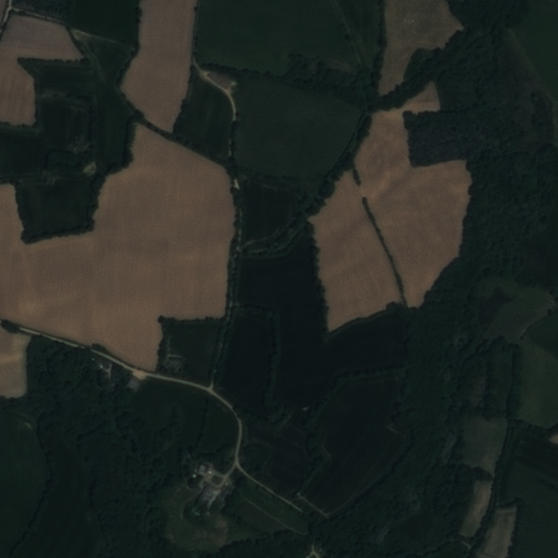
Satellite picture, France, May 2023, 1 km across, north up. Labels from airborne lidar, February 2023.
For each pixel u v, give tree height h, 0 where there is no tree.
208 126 0
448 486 17
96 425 19
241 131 0
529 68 0
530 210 7
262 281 0
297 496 10
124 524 21
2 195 0
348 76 8
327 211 0
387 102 20
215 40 0
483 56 7
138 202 0
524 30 0
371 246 0
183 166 0
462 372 18
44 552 0
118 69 0
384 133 0
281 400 0
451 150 18
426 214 0
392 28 0
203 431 11
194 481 9
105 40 0
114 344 0
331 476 0
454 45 16
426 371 15
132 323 0
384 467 0
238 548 20
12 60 0
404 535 0
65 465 0
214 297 0
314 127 0
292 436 0
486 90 13
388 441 0
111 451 25
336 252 0
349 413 0
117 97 0
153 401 0
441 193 0
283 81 6
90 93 0
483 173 12
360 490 0
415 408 16
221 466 11
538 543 0
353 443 0
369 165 0
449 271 14
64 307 0
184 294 0
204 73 0
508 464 0
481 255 17
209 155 15
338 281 0
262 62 0
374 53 0
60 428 12
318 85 15
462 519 7
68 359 18
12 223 0
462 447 18
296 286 0
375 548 17
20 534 0
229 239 0
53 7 9
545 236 0
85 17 0
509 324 0
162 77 0
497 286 0
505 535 0
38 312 0
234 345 0
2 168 0
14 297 0
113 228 0
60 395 23
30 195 0
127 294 0
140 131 0
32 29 0
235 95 0
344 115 0
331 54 0
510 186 13
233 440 0
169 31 0
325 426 0
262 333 0
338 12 0
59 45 0
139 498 19
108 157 0
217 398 0
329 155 0
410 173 0
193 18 0
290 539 20
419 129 17
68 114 0
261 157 0
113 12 0
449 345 13
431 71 22
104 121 0
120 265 0
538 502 0
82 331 0
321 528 15
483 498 0
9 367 0
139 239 0
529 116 0
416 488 9
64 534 0
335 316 0
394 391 0
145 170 0
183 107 9
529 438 0
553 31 0
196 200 0
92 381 14
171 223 0
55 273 0
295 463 0
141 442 21
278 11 0
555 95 0
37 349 11
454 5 17
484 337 0
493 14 21
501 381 0
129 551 23
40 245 0
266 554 20
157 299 0
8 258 0
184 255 0
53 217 0
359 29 0
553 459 0
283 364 0
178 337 0
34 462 0
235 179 9
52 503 0
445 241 0
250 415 9
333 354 0
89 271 0
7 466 0
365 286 0
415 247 0
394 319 0
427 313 20
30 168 0
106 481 19
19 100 0
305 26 0
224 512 12
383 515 9
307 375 0
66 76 0
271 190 0
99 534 0
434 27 0
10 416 0
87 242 0
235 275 10
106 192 0
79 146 0
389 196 0
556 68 0
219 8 0
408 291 0
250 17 0
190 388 0
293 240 6
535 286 17
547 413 0
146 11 0
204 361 0
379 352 0
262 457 10
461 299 14
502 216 8
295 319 0
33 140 0
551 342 0
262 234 0
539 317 0
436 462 8
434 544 0
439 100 0
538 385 0
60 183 0
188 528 0
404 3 0
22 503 0
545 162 12
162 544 15
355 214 0
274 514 0
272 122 0
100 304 0
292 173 0
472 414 15
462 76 9
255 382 0
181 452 15
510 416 14
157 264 0
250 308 14
